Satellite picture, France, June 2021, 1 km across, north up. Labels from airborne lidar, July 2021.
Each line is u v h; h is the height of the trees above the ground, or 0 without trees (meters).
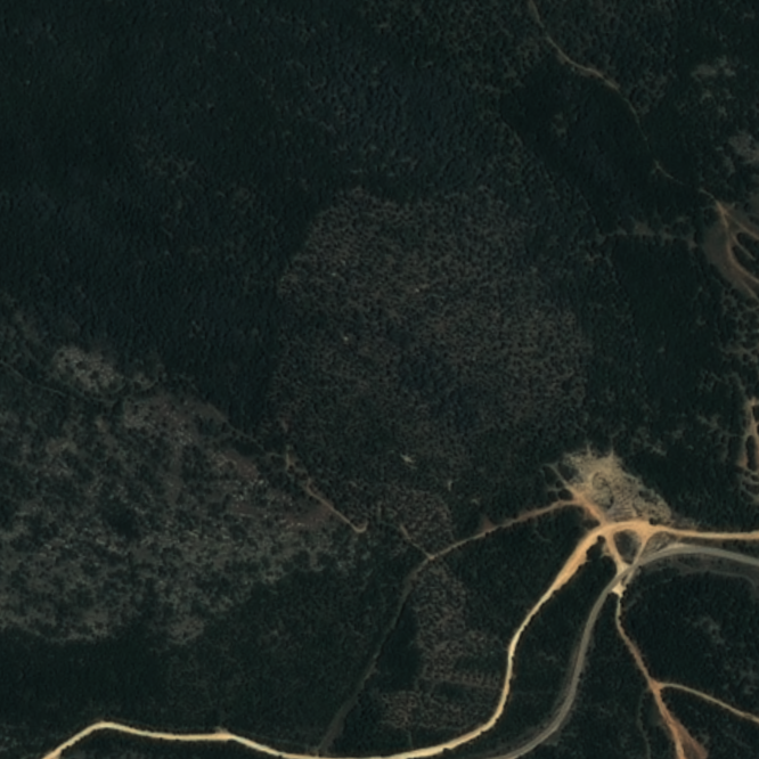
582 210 9
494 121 10
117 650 10
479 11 8
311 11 11
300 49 11
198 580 6
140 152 7
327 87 8
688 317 9
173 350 7
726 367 7
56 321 12
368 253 11
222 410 6
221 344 12
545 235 9
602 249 12
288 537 0
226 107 9
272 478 7
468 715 7
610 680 9
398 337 14
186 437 0
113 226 11
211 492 6
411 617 8
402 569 10
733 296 9
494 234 9
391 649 6
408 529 11
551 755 9
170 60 10
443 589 6
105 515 6
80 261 12
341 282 9
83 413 7
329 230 8
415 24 13
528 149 8
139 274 13
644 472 12
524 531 10
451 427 11
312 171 10
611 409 10
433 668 6
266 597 7
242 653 7
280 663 7
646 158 8
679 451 8
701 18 7
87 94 12
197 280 10
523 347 10
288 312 12
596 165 15
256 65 9
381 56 13
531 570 7
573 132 10
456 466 8
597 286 9
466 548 9
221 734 0
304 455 11
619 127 10
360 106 14
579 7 6
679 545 0
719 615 11
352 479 12
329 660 6
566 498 9
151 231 7
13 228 11
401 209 9
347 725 10
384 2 8
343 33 11
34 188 17
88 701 8
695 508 13
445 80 12
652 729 9
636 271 10
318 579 7
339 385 10
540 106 8
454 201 10
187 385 8
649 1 10
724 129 6
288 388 12
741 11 9
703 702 7
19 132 12
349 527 7
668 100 9
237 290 8
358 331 10
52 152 14
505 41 8
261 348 10
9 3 11
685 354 9
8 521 6
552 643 7
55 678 8
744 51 7
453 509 8
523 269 9
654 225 7
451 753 9
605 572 10
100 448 6
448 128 12
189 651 6
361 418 6
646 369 11
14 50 9
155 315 11
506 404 8
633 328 11
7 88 8
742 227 0
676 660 7
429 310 9
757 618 9
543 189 9
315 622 10
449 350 10
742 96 6
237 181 7
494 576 7
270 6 10
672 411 9
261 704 8
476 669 6
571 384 10
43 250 11
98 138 14
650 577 7
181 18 11
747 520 7
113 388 6
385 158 13
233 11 10
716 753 8
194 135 9
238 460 0
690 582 9
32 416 6
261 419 12
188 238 10
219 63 11
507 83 8
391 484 13
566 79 10
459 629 7
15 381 6
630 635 9
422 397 9
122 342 10
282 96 6
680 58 9
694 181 9
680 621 9
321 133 9
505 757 0
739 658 7
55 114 9
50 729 8
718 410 9
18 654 6
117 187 11
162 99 13
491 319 7
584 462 0
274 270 6
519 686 7
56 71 10
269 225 9
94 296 9
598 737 6
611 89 10
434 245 11
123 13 11
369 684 7
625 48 8
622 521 0
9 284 8
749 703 7
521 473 9
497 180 15
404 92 19
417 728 6
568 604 8
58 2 12
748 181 11
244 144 9
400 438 11
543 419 9
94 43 13
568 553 6
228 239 9
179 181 9
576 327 6
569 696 0
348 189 9
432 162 8
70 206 14
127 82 10
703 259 8
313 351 10
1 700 9
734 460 8
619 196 13
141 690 7
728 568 0
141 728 5
